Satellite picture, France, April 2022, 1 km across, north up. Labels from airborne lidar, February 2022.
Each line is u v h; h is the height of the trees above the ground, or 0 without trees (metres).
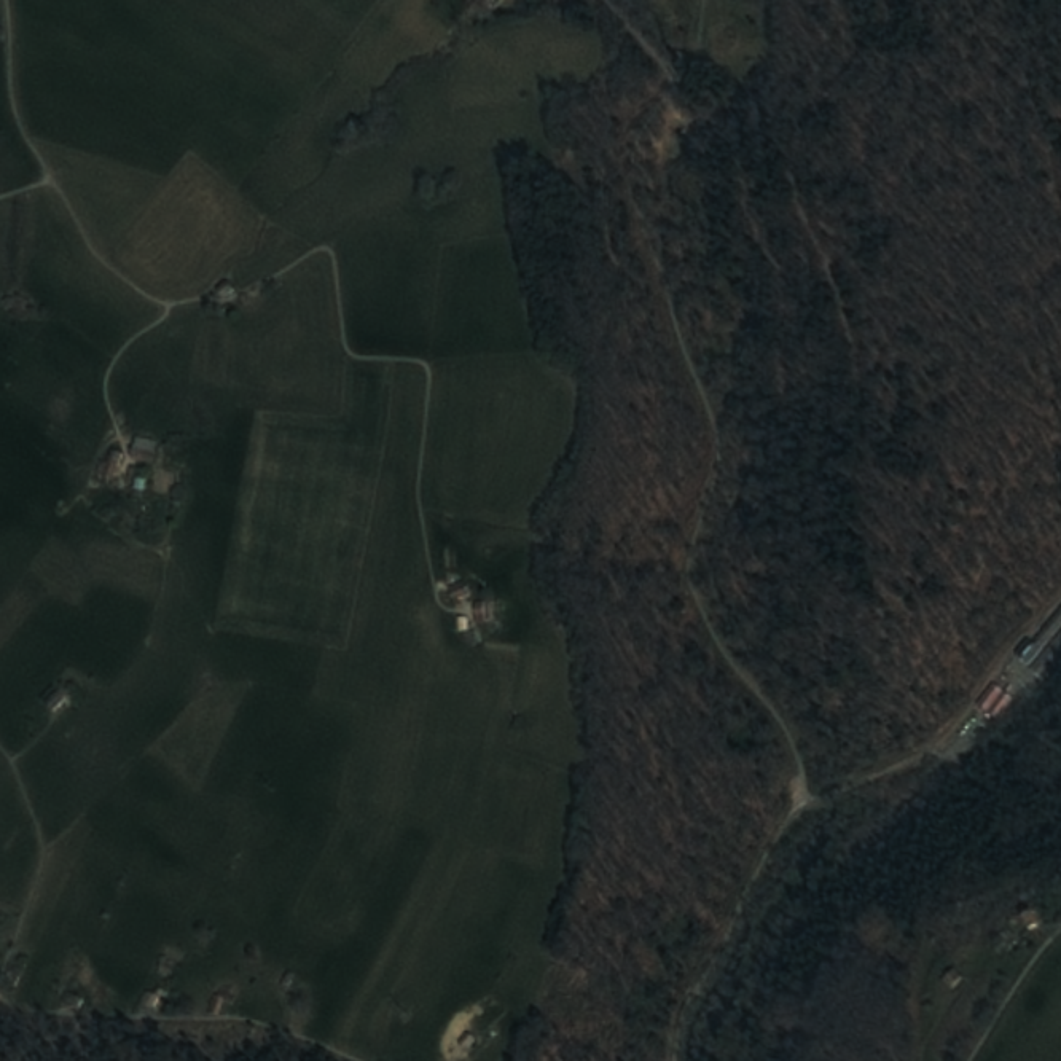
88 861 0
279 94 0
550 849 0
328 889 0
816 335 25
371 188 0
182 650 0
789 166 26
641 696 35
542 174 19
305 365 0
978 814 33
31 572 0
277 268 0
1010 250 31
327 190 0
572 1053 37
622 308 34
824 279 19
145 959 0
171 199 0
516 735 0
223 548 0
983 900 20
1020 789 23
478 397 0
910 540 22
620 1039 7
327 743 0
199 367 0
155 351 0
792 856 22
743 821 32
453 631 0
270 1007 0
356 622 0
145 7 0
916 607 20
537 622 0
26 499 0
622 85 27
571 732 0
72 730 0
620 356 35
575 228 29
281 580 0
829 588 25
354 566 0
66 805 0
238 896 0
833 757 17
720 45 0
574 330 30
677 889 33
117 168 0
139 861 0
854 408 22
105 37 0
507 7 0
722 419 9
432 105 0
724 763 39
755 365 29
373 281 0
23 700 0
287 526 0
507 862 0
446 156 0
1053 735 20
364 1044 0
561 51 0
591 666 24
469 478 0
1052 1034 0
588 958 35
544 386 0
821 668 26
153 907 0
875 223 28
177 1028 0
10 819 0
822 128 26
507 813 0
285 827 0
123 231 0
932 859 26
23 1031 22
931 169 26
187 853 0
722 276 23
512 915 0
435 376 0
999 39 28
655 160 35
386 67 0
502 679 0
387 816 0
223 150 0
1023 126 30
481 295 0
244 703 0
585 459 24
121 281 0
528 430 0
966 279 29
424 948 0
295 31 0
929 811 17
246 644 0
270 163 0
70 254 0
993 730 14
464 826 0
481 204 0
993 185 29
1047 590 30
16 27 0
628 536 17
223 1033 0
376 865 0
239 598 0
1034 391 29
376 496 0
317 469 0
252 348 0
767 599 26
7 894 0
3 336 0
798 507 27
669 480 28
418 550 0
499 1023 0
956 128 30
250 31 0
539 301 24
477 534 0
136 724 0
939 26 26
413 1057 0
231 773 0
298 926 0
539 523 20
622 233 36
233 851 0
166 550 0
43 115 0
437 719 0
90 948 0
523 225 25
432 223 0
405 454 0
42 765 0
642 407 33
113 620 0
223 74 0
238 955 0
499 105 0
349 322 0
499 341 0
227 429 0
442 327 0
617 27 19
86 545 0
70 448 0
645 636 31
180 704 0
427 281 0
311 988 0
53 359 0
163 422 0
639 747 38
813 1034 30
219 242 0
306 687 0
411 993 0
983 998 0
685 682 38
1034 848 20
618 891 36
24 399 0
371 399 0
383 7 0
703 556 23
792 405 28
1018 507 30
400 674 0
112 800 0
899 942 0
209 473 0
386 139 8
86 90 0
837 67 30
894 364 25
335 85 0
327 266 0
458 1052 0
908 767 0
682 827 38
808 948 24
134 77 0
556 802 0
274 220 0
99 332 0
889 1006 34
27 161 0
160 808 0
